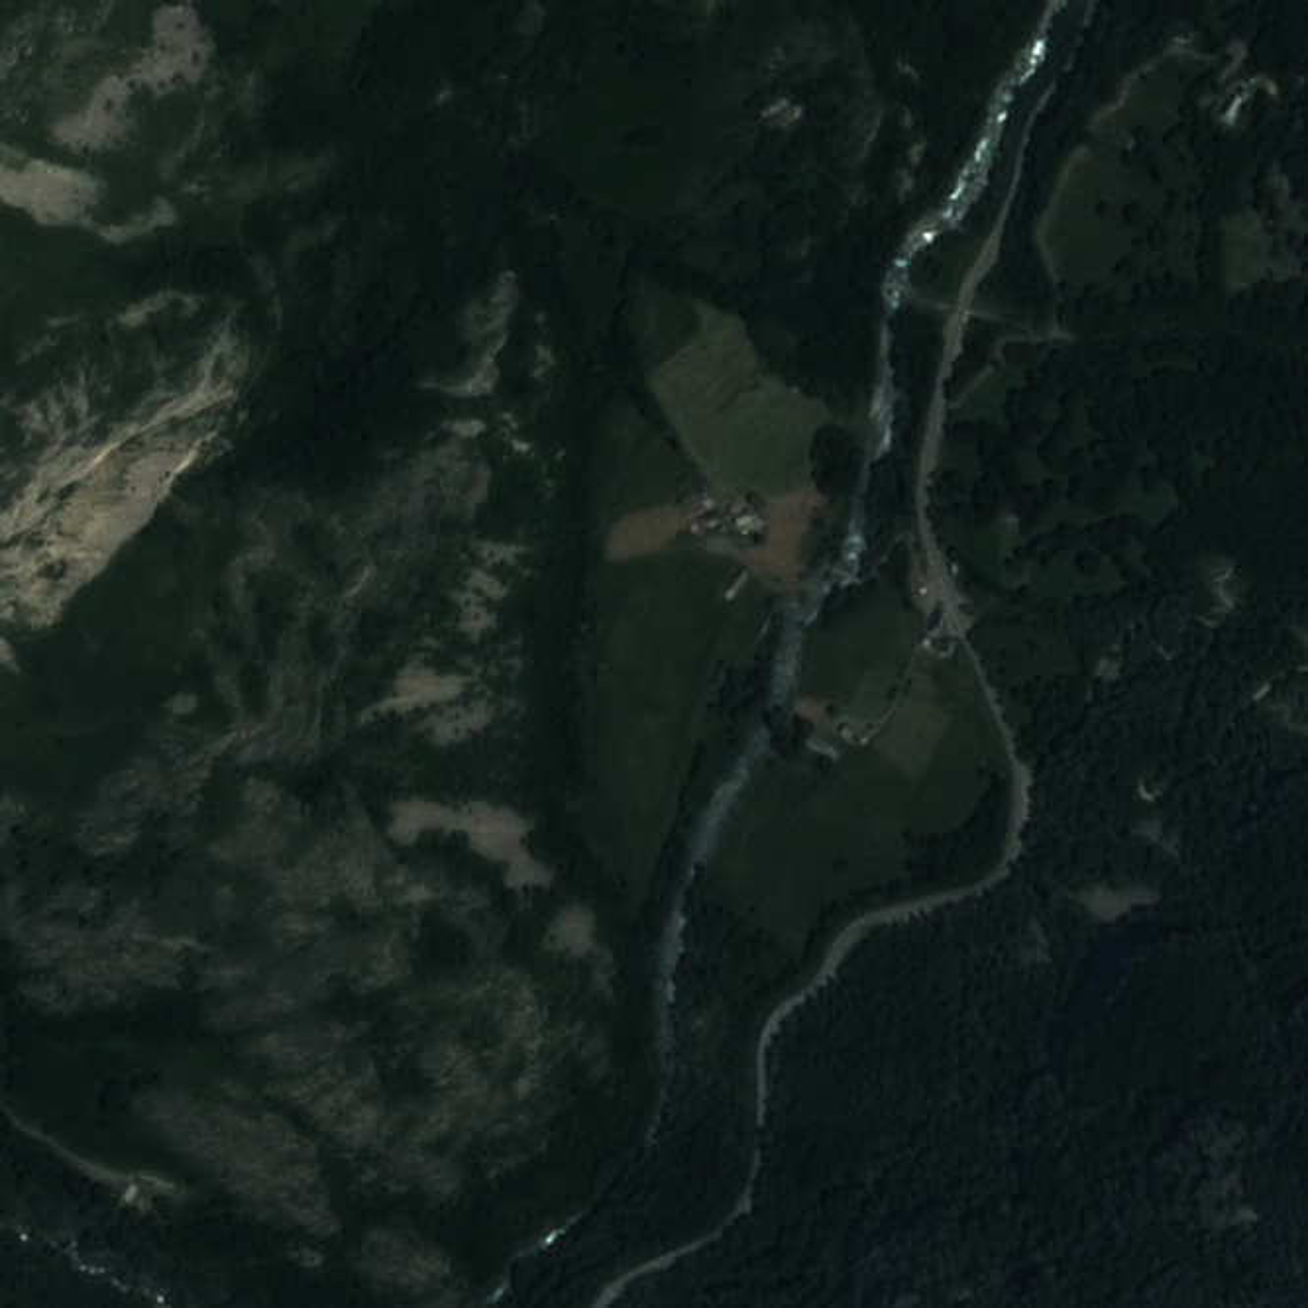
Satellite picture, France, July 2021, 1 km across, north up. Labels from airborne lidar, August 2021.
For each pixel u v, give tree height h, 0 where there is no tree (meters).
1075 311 6
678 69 0
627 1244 12
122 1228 19
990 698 0
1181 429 16
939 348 12
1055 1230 12
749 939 6
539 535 11
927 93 15
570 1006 6
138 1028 18
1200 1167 6
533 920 7
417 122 10
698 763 14
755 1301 13
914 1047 17
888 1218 9
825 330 16
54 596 0
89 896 0
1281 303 8
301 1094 0
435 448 7
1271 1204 12
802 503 0
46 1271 9
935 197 12
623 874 13
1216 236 12
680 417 0
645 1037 9
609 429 0
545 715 8
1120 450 17
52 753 0
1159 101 0
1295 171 18
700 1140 16
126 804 0
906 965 7
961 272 0
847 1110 13
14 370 0
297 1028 0
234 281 6
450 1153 7
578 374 5
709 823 0
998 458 16
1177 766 17
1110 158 0
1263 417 12
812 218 13
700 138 0
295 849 0
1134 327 8
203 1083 0
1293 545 10
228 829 0
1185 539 17
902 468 15
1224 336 8
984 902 19
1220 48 14
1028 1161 21
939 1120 18
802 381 7
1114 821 10
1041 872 14
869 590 13
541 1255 10
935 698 0
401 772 8
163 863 6
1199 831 9
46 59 0
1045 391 17
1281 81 8
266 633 7
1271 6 11
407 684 0
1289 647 16
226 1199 8
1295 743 5
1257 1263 13
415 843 9
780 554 0
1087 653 17
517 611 7
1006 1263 10
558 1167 7
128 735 0
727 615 0
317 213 12
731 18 11
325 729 7
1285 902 16
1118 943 15
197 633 0
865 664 0
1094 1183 16
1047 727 12
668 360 0
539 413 8
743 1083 7
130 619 0
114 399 0
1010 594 11
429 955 7
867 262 15
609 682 0
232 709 0
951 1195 12
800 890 0
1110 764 13
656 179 0
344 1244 11
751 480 0
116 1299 14
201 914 0
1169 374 14
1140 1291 12
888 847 0
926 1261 7
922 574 0
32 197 0
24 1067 13
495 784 10
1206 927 9
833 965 0
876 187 16
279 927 0
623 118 0
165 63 0
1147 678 21
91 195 0
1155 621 18
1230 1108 12
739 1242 14
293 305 6
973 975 11
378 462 7
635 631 0
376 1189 6
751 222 8
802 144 18
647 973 19
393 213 13
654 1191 22
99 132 0
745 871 0
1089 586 0
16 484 0
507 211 10
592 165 0
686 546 0
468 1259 14
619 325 14
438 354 0
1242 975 19
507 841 0
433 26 12
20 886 0
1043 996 13
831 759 9
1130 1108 17
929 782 0
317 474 8
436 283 17
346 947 0
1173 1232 17
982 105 15
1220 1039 14
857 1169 15
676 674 0
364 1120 0
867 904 9
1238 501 16
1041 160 20
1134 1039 17
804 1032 12
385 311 9
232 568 0
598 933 8
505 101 7
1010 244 9
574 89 12
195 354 0
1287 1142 8
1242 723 15
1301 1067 16
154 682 0
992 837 15
